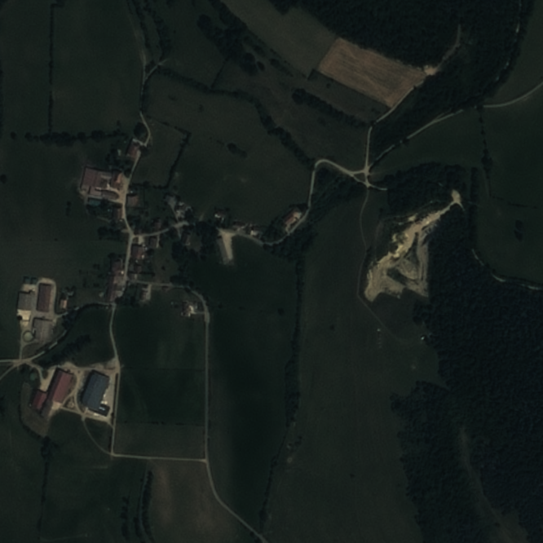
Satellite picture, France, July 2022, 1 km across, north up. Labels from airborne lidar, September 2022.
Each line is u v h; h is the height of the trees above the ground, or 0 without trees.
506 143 0
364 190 13
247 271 0
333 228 0
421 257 0
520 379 16
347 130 0
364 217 0
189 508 0
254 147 0
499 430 20
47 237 0
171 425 0
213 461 0
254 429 0
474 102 15
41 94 0
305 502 0
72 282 0
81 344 17
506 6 14
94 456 0
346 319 0
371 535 0
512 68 13
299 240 15
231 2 0
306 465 0
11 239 0
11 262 0
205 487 0
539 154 0
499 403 24
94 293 0
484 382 16
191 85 7
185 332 0
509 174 0
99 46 0
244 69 19
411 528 0
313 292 0
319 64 0
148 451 0
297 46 0
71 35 0
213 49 0
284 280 0
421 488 9
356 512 0
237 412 0
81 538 0
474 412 19
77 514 0
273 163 0
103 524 0
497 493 14
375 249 0
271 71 0
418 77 0
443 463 13
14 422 0
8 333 0
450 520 7
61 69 0
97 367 0
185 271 19
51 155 0
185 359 0
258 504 0
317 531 0
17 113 0
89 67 0
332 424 0
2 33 0
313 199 7
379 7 19
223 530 0
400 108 5
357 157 0
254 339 0
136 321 0
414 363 0
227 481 0
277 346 0
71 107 0
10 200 0
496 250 0
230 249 0
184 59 0
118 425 0
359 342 0
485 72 11
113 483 0
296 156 8
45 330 0
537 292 16
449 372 12
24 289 0
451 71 8
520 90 0
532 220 0
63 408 0
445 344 15
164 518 0
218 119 0
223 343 0
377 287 0
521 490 14
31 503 0
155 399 0
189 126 0
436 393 13
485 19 18
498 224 0
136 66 0
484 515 0
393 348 0
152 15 11
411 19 21
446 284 19
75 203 0
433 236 8
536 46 0
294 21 0
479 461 11
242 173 0
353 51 0
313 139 0
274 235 14
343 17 18
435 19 22
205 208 0
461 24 11
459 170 18
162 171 0
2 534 0
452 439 12
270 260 0
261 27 0
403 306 0
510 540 0
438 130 0
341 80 0
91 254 0
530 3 19
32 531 0
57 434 0
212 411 0
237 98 12
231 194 0
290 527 0
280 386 0
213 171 0
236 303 0
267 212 0
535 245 0
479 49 13
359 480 0
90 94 0
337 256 0
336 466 0
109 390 0
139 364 0
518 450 15
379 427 0
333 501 0
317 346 0
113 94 0
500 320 22
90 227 0
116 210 0
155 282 0
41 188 0
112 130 0
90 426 0
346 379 0
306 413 0
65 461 0
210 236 11
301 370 0
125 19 0
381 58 0
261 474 0
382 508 0
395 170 0
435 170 17
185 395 0
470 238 20
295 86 0
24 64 0
